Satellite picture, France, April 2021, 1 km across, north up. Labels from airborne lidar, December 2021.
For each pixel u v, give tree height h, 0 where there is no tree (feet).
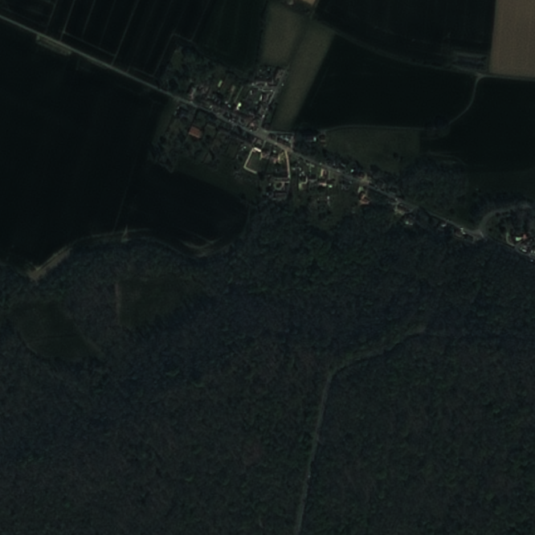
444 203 58
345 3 0
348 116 0
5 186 0
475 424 83
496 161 0
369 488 84
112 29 0
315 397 36
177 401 26
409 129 0
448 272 86
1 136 0
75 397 58
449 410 73
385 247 74
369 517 30
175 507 71
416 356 75
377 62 0
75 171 0
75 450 61
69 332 0
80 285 77
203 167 0
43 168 0
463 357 92
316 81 0
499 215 27
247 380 69
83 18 0
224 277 89
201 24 0
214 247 0
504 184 0
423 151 0
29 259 0
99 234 0
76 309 90
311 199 27
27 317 0
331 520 67
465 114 0
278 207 55
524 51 0
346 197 0
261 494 61
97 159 0
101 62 0
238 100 0
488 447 84
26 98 0
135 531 74
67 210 0
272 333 84
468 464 80
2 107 0
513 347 66
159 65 0
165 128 0
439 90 0
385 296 90
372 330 76
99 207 0
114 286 52
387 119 0
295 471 61
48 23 0
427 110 0
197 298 0
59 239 0
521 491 86
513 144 0
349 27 0
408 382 84
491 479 80
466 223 0
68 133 0
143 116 0
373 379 72
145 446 47
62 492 53
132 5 0
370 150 0
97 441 64
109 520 33
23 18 0
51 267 0
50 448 57
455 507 56
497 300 76
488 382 83
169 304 0
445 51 0
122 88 0
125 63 0
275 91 0
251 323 82
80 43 0
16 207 0
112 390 85
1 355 86
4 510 45
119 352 76
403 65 0
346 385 61
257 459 59
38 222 0
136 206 0
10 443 77
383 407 63
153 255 73
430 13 0
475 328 79
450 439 56
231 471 66
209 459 70
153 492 85
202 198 0
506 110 0
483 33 0
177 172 0
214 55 0
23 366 54
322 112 0
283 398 61
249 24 0
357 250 86
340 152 0
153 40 0
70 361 0
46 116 0
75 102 0
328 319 90
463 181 66
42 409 97
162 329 91
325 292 88
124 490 77
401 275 87
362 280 88
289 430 49
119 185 0
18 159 0
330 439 70
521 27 0
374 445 79
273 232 63
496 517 84
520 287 79
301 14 0
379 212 85
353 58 0
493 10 0
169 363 84
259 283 68
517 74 0
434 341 87
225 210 0
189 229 0
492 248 67
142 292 0
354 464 82
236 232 0
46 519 17
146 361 85
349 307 100
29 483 55
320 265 80
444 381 66
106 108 0
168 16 0
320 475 67
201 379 73
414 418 88
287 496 66
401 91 0
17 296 98
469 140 0
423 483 71
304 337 78
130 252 61
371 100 0
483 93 0
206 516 80
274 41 0
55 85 0
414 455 25
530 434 82
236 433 59
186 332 89
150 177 0
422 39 0
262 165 0
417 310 76
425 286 42
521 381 63
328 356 74
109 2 0
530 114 0
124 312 0
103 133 0
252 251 36
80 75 0
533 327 58
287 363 69
